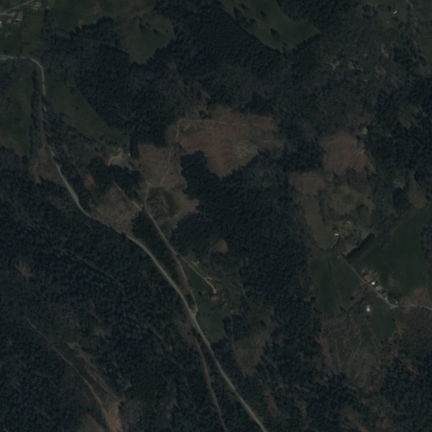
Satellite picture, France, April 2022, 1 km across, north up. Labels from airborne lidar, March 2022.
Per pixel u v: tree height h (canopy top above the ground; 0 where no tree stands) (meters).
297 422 19
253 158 0
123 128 26
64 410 31
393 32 10
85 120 0
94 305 25
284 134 21
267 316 0
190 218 0
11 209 27
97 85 22
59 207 20
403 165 22
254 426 14
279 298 26
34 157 20
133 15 0
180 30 20
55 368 34
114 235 26
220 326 0
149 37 0
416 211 15
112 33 23
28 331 31
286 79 24
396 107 21
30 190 14
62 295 24
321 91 21
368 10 14
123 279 38
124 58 31
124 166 0
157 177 0
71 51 21
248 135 0
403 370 19
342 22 29
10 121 0
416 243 0
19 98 0
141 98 26
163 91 15
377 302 0
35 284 25
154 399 30
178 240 28
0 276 26
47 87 15
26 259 20
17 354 23
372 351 0
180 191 0
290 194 14
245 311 22
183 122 0
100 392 25
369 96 25
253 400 28
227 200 35
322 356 12
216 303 0
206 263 21
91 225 30
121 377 21
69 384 32
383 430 0
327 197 11
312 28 0
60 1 0
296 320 25
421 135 6
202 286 0
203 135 0
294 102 22
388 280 0
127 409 26
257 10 0
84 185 24
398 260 0
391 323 0
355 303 14
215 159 0
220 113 0
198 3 14
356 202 0
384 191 19
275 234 20
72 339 26
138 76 32
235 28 30
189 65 25
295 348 29
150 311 9
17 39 0
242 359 0
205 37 28
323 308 0
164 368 29
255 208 27
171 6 19
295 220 16
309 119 25
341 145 0
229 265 27
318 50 17
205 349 21
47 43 25
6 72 25
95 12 0
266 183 20
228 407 8
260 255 24
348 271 0
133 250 9
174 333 9
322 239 0
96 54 23
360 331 0
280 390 31
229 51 32
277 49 0
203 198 37
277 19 0
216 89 31
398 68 16
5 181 39
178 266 24
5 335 22
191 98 23
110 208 0
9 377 33
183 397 28
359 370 0
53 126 26
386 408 23
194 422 31
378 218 0
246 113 25
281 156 17
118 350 15
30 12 0
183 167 0
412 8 14
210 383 0
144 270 30
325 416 28
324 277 0
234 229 18
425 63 16
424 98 30
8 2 0
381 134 24
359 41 18
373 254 0
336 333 0
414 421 24
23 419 29
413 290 0
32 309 29
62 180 0
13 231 20
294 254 25
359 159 0
